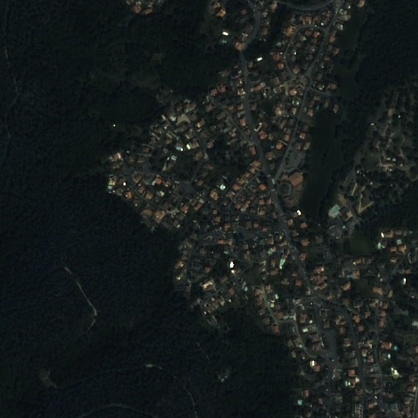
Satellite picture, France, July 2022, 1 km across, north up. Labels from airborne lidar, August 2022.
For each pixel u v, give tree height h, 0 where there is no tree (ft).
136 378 48
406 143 0
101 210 90
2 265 60
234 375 60
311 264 31
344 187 31
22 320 74
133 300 71
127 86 51
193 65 57
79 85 58
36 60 78
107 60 45
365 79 73
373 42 41
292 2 43
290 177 0
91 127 65
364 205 0
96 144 81
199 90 70
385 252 29
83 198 53
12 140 57
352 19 0
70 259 33
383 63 64
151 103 77
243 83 18
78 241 45
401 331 25
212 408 58
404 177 42
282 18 53
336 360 0
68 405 67
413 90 41
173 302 71
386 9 26
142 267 79
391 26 61
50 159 120
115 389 62
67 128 73
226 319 29
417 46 61
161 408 90
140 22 56
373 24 48
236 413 86
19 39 43
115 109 76
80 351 78
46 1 31
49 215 67
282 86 0
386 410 0
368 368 0
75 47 80
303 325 34
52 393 52
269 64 0
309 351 0
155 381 91
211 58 52
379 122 27
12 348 72
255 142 0
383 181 40
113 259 86
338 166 0
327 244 36
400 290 41
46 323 73
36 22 51
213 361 77
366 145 0
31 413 62
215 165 21
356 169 31
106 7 61
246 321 48
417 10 55
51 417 62
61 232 47
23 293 53
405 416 37
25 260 60
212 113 35
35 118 85
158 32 59
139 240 64
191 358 43
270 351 43
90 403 84
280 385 58
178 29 48
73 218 34
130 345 54
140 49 59
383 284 19
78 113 67
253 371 59
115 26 66
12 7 70
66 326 44
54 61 38
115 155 0
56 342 42
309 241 22
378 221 30
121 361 72
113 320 30
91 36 33
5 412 70
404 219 34
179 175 22
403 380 24
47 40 58
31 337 72
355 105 43
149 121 87
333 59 29
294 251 0
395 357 31
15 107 75
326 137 0
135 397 49
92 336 77
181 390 65
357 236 0
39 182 93
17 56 64
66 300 70
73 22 79
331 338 0
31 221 87
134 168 22
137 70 56
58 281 44
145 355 52
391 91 21
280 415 36
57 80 56
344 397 21
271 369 54
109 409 35
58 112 72
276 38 28
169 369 56
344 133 51
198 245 48
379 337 21
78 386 72
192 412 47
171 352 46
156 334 47
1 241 79
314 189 0
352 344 19
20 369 54
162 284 55
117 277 87
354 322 28
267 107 0
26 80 54
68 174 48
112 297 81
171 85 61
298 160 0
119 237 76
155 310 80
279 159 20
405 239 19
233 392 74
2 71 86
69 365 85
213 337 67
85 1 60
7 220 98
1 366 83
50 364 57
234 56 52
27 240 76
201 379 71
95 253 59
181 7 31
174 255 48
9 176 53
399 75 60
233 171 0
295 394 19
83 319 40
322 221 28
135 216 32
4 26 38
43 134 67
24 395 66
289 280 0
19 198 80
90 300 28
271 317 25
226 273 29
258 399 53
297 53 23
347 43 0
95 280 81
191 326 56
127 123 55
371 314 18
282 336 18
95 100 57
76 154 67
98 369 61
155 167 31
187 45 53
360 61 0
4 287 57
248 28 0
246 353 37
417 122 59
